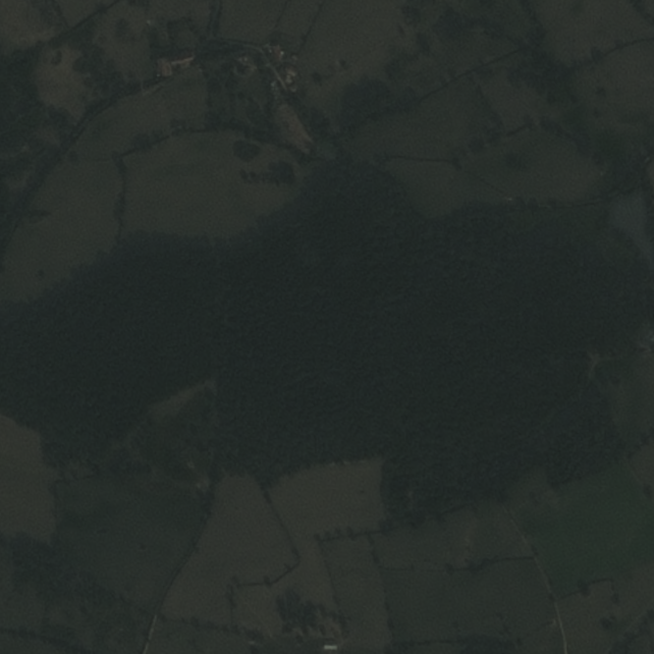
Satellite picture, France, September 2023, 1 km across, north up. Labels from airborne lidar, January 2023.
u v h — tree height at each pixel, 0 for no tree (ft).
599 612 0
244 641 0
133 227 0
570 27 0
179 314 66
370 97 64
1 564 0
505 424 80
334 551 0
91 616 0
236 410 78
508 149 0
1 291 0
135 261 72
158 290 73
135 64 0
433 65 0
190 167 0
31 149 0
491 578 0
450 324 72
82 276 51
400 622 0
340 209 56
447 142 0
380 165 51
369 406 69
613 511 0
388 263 73
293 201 0
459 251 74
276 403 69
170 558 0
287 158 0
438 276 80
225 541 0
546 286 87
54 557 19
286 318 34
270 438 46
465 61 0
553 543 0
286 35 0
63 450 60
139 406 76
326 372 45
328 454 49
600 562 0
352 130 45
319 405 47
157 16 0
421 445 53
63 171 0
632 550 0
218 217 0
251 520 0
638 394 0
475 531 0
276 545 0
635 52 0
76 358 76
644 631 34
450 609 0
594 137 0
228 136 0
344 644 0
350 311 28
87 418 66
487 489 85
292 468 45
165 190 0
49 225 0
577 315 90
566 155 0
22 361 68
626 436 0
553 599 31
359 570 0
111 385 61
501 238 74
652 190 55
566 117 0
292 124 0
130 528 0
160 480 0
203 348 68
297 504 0
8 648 0
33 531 0
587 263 86
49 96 0
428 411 50
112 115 0
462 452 25
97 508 0
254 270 40
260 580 0
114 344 73
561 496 0
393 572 0
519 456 71
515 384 85
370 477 0
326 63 0
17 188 0
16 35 0
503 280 79
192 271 73
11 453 0
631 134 0
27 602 0
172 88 0
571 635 0
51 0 37
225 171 0
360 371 39
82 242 0
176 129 59
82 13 0
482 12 0
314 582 0
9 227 42
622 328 74
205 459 0
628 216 0
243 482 0
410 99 55
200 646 0
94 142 0
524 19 0
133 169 0
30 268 0
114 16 0
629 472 0
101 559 0
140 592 0
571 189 0
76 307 63
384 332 63
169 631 0
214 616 0
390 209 67
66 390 44
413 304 76
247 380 57
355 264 51
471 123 0
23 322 80
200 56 25
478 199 0
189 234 0
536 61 68
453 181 0
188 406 0
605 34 0
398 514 29
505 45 0
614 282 101
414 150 0
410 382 75
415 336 86
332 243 39
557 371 86
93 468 47
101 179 0
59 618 0
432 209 0
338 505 0
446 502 50
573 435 45
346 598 0
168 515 0
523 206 61
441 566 0
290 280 28
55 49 0
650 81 0
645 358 0
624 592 0
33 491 0
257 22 0
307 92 0
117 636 0
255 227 0
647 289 81
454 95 0
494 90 0
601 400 23
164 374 75
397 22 0
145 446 0
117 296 65
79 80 0
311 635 0
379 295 52
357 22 0
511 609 0
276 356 45
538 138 0
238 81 42
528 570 0
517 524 0
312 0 0
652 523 0
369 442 69
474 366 85
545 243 82
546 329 85
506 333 87
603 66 0
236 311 38
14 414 51
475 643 46
